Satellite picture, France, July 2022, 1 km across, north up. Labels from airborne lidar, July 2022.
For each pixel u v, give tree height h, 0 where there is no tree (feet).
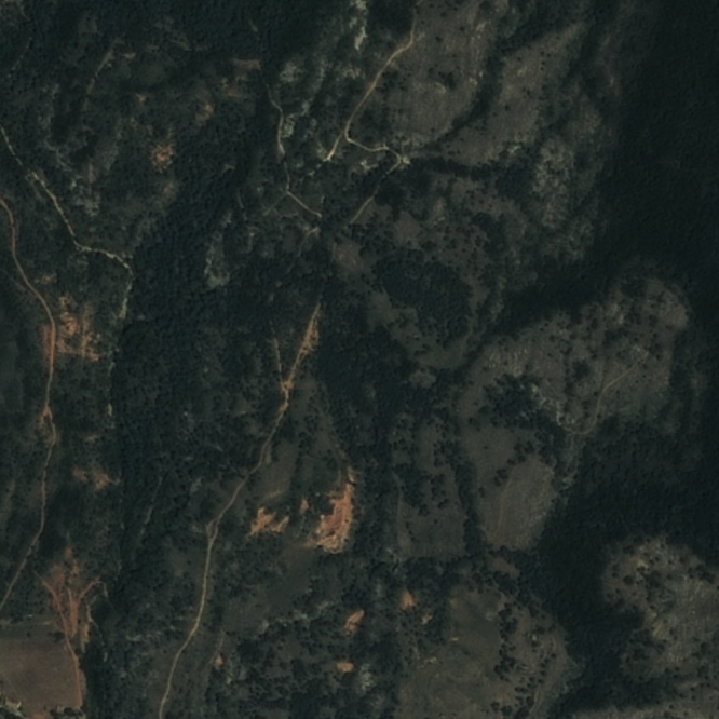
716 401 54
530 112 0
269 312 46
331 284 34
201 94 0
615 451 26
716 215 28
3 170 22
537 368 0
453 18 0
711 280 44
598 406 0
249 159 26
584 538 31
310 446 31
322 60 0
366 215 0
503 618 26
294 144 18
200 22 54
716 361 35
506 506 0
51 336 0
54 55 24
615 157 28
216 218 41
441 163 22
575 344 0
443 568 24
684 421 27
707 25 43
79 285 28
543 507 0
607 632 45
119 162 51
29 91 34
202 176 34
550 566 31
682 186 31
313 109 27
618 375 0
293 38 26
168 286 43
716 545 38
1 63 23
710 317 34
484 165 24
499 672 41
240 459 18
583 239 24
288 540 0
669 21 28
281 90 26
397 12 19
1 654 0
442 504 34
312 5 27
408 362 21
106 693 19
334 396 35
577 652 32
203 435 25
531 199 32
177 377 37
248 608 0
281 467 0
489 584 23
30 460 21
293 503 22
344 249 0
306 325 22
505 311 44
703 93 25
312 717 43
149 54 27
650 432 33
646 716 0
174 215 28
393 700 26
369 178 31
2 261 19
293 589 0
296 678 21
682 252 37
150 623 23
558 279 29
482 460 0
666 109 27
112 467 22
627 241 49
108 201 30
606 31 24
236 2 70
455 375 27
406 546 0
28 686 0
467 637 0
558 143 0
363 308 19
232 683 24
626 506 24
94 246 29
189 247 36
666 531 35
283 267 35
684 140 20
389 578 32
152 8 37
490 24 0
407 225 0
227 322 20
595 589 30
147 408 22
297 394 22
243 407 0
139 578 32
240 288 22
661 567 0
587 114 0
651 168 39
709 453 45
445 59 0
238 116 27
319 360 27
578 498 42
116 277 30
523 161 34
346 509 0
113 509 39
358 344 25
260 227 28
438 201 0
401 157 0
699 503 42
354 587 43
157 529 33
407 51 0
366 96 0
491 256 19
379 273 34
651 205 36
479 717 0
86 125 31
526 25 29
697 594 0
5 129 26
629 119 24
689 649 0
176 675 0
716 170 23
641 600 0
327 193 25
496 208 0
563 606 27
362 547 26
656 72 32
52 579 0
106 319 22
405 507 0
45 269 25
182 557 0
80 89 23
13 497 20
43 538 22
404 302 24
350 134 25
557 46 0
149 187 21
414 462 26
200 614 0
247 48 52
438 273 32
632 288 25
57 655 0
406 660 28
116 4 44
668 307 0
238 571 21
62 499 20
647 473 26
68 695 0
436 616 23
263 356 28
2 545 21
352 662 21
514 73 0
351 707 31
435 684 0
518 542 0
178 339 42
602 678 39
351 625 0
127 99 45
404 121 0
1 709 26
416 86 0
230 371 27
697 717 0
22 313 26
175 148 28
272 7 52
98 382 24
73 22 21
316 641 23
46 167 42
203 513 26
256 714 27
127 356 33
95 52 30
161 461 41
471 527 54
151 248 31
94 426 24
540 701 0
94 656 30
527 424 36
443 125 0
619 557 0
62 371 38
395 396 46
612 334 19
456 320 30
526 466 0
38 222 36
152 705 0
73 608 0
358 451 30
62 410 23
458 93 0
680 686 0
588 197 20
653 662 0
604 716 0
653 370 0
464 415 0
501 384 25
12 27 28
